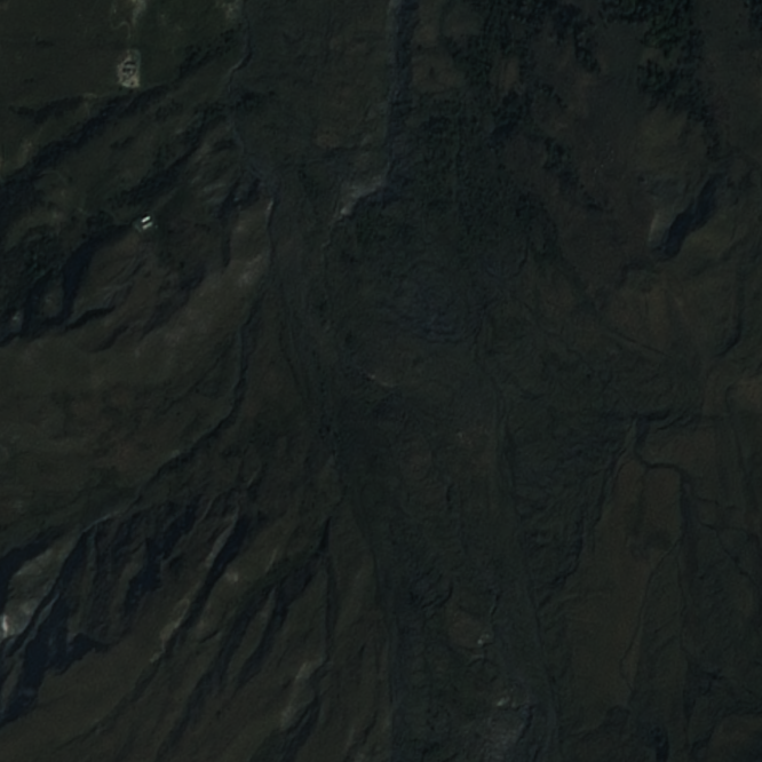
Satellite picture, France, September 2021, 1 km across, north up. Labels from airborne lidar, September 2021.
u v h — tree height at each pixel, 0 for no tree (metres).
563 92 0
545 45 0
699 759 0
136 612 0
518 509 0
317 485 0
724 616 0
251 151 0
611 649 0
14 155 0
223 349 0
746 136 0
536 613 0
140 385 0
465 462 0
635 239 0
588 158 0
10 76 0
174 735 0
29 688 0
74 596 0
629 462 0
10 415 0
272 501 0
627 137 0
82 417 0
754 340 0
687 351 0
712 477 0
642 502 0
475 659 0
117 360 0
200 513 0
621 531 0
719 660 0
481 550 0
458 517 0
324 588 0
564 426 0
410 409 0
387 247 0
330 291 0
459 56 8
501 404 0
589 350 0
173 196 0
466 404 0
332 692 0
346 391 0
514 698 0
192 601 0
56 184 0
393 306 0
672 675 0
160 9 0
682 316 0
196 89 0
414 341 0
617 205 0
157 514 0
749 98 0
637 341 0
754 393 0
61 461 0
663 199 0
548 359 0
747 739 0
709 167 0
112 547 0
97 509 0
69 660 0
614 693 0
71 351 0
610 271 0
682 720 0
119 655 0
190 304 0
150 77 0
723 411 0
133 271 0
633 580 0
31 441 0
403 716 0
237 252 0
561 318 0
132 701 0
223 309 0
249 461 0
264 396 0
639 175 0
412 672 0
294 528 0
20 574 0
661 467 0
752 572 0
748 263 0
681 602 0
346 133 0
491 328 0
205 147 0
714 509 0
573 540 0
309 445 0
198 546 0
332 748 0
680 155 0
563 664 0
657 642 0
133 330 0
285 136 0
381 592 0
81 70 0
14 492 0
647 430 0
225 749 0
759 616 0
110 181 0
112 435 0
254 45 0
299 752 0
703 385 0
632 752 0
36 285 6
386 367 0
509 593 0
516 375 0
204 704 0
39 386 0
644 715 0
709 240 0
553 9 10
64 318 0
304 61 0
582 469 0
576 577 0
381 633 0
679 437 0
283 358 0
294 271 0
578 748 0
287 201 0
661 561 0
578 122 0
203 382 0
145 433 0
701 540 0
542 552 0
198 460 0
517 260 0
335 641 0
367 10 0
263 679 0
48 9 0
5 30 0
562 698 0
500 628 0
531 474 0
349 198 0
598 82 0
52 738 0
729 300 0
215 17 0
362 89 0
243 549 0
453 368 0
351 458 0
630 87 0
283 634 0
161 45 0
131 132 0
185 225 0
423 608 0
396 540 0
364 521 0
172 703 0
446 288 0
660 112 0
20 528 0
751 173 0
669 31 11
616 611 0
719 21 0
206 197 0
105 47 0
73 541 0
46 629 0
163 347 0
